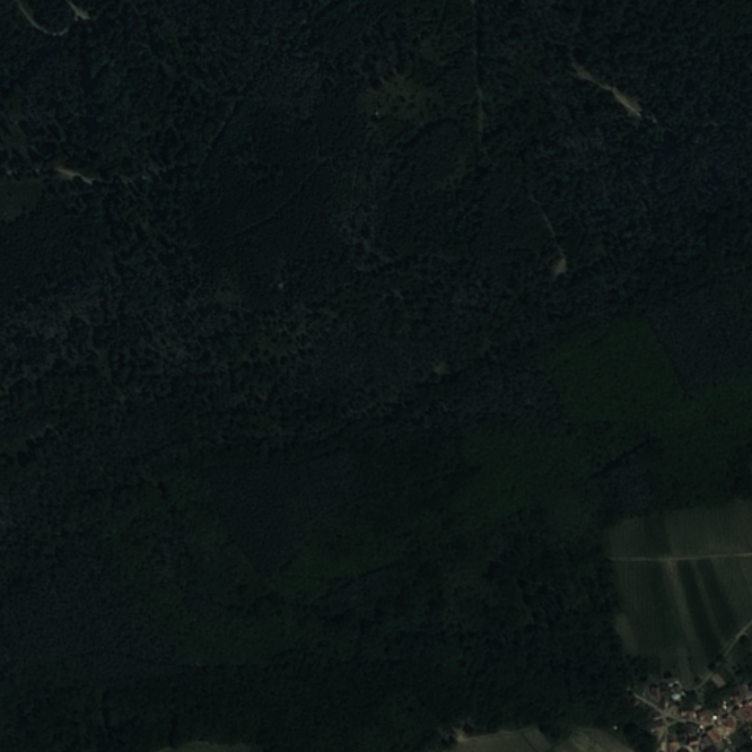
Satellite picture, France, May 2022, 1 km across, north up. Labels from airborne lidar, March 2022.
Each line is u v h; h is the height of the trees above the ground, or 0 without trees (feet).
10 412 30
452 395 73
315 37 41
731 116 97
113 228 99
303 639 61
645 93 99
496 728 30
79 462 73
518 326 83
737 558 0
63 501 88
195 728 66
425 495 57
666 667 0
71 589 90
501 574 75
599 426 62
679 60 110
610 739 0
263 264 31
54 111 95
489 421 59
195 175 35
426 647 81
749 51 108
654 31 96
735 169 101
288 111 70
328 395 46
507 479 54
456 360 78
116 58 91
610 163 108
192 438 64
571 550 67
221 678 76
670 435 51
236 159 88
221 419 71
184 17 77
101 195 39
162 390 60
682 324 70
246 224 32
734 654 0
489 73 31
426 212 32
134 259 83
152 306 76
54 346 27
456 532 58
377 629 78
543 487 56
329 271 52
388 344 86
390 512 70
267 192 38
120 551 56
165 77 87
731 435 46
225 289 20
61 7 94
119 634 75
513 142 21
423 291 71
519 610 67
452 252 32
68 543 97
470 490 59
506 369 72
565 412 67
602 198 94
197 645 59
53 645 89
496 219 43
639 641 0
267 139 35
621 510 57
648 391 57
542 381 76
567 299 51
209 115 31
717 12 84
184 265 54
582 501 59
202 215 26
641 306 60
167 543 92
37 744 87
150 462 102
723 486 42
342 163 21
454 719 63
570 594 63
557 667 99
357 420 62
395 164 30
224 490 70
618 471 80
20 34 86
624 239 90
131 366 57
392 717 64
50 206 24
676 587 0
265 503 72
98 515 75
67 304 88
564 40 92
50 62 118
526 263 70
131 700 79
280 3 90
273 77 71
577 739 0
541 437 58
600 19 122
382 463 73
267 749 31
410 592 70
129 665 78
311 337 49
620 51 93
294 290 55
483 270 44
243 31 86
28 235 33
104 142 96
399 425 72
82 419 66
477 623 65
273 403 50
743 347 76
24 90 100
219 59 19
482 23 92
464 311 61
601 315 60
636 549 0
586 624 72
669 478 48
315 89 66
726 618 0
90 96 112
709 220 82
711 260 63
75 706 94
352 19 45
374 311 68
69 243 24
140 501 70
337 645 60
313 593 56
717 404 52
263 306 24
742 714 0
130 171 95
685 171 97
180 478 63
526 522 71
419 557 82
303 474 67
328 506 59
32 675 56
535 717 42
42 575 93
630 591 0
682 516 0
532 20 95
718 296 76
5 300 34
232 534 68
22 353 47
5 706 58
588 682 95
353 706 84
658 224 87
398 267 61
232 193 33
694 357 74
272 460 57
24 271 34
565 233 55
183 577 67
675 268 78
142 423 82
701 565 0
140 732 84
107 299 83
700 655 0
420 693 65
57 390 40
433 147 56
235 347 61
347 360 85
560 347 64
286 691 68
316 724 71
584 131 101
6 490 74
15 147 0
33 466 84
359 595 57
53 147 86
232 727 69
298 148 34
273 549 59
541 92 29
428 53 0
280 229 31
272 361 64
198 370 55
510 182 49
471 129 27
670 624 0
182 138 62
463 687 70
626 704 31
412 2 26
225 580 77
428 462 64
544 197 52
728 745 0
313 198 30
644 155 100
